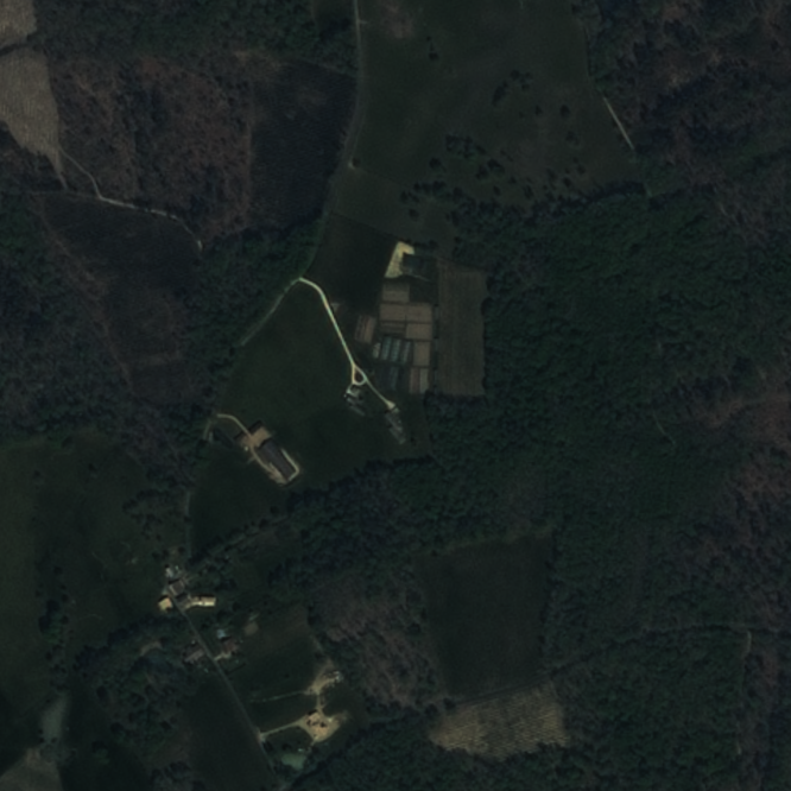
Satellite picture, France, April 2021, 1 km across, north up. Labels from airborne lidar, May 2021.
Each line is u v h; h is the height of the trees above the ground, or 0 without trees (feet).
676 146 87
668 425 43
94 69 31
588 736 53
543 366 59
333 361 0
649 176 58
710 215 57
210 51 29
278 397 0
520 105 0
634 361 56
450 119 0
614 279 45
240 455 0
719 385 84
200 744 0
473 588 0
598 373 70
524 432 71
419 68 0
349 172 0
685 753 63
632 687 46
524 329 44
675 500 50
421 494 48
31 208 42
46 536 0
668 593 74
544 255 50
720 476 62
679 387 36
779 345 43
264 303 39
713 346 75
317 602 52
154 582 0
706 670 65
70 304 59
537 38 0
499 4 0
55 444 61
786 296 59
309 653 0
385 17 0
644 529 56
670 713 53
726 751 47
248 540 28
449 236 0
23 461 0
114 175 0
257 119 0
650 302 30
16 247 53
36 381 67
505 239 66
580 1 44
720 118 44
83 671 49
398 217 0
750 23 62
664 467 47
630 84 29
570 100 0
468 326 0
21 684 0
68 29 45
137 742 41
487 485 60
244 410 0
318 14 0
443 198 56
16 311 75
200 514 0
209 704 0
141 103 76
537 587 0
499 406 53
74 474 0
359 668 50
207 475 0
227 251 46
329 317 0
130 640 62
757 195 45
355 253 0
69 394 39
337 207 0
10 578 0
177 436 64
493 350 59
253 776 0
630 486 42
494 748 0
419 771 44
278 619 0
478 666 0
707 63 0
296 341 0
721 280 61
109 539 0
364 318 0
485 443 59
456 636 0
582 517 72
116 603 0
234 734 0
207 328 46
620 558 41
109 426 66
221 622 38
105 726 0
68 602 40
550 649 54
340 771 46
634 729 64
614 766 60
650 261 52
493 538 70
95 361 33
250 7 80
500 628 0
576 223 69
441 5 0
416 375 0
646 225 70
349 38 51
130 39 61
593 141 0
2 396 42
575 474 60
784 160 40
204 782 0
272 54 64
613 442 47
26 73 0
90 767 0
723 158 79
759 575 72
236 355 45
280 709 0
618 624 54
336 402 0
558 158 0
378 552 77
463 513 44
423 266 0
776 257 63
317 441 0
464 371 0
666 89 0
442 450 49
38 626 0
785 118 41
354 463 0
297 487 0
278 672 0
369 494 41
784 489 42
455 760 54
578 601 62
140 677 65
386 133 0
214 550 37
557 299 54
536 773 44
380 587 50
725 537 86
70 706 0
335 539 57
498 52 0
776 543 48
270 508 0
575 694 40
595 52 58
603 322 50
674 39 60
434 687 54
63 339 29
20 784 0
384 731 54
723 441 33
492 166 21
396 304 0
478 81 0
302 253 54
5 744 0
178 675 63
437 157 0
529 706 0
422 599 35
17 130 0
